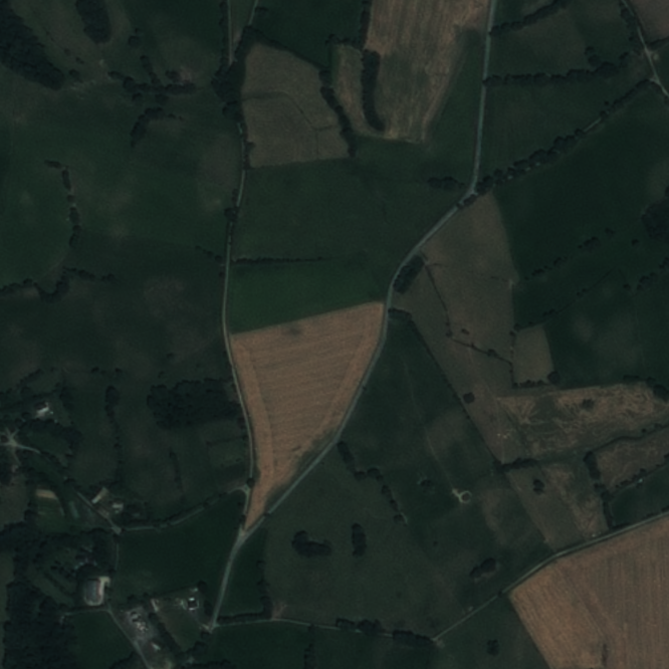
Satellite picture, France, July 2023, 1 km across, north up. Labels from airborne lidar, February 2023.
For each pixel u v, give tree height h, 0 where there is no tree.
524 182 0
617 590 0
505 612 0
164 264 0
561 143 14
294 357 0
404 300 0
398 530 0
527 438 0
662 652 0
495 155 0
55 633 15
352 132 13
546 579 0
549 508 0
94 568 7
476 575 14
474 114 0
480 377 0
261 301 0
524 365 0
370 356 0
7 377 0
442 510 0
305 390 0
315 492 0
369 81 6
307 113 0
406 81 0
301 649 0
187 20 0
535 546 0
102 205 0
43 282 0
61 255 0
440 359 0
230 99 18
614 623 0
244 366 0
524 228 0
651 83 10
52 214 0
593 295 0
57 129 0
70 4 0
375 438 0
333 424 0
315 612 0
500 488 0
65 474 12
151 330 0
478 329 0
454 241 0
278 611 0
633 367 0
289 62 0
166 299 0
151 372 0
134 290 0
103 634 0
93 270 0
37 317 0
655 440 0
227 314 0
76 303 0
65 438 11
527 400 0
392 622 0
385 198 0
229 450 0
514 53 0
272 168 0
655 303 0
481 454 0
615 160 0
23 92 0
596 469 17
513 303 0
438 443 0
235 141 0
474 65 0
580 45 0
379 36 0
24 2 0
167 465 0
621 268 0
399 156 0
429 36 0
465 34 0
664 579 0
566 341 0
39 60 21
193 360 0
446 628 0
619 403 0
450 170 0
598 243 16
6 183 0
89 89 0
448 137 0
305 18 0
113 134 0
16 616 17
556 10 13
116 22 0
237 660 0
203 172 0
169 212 0
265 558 0
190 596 0
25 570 16
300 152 0
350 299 0
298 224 0
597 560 0
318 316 0
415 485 0
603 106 0
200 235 0
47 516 0
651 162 0
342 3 0
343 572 0
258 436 0
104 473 0
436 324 0
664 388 11
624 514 0
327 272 0
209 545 0
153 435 0
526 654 0
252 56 0
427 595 0
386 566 0
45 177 0
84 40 0
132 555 0
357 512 0
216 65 0
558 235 0
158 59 0
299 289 0
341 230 0
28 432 16
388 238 0
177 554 0
